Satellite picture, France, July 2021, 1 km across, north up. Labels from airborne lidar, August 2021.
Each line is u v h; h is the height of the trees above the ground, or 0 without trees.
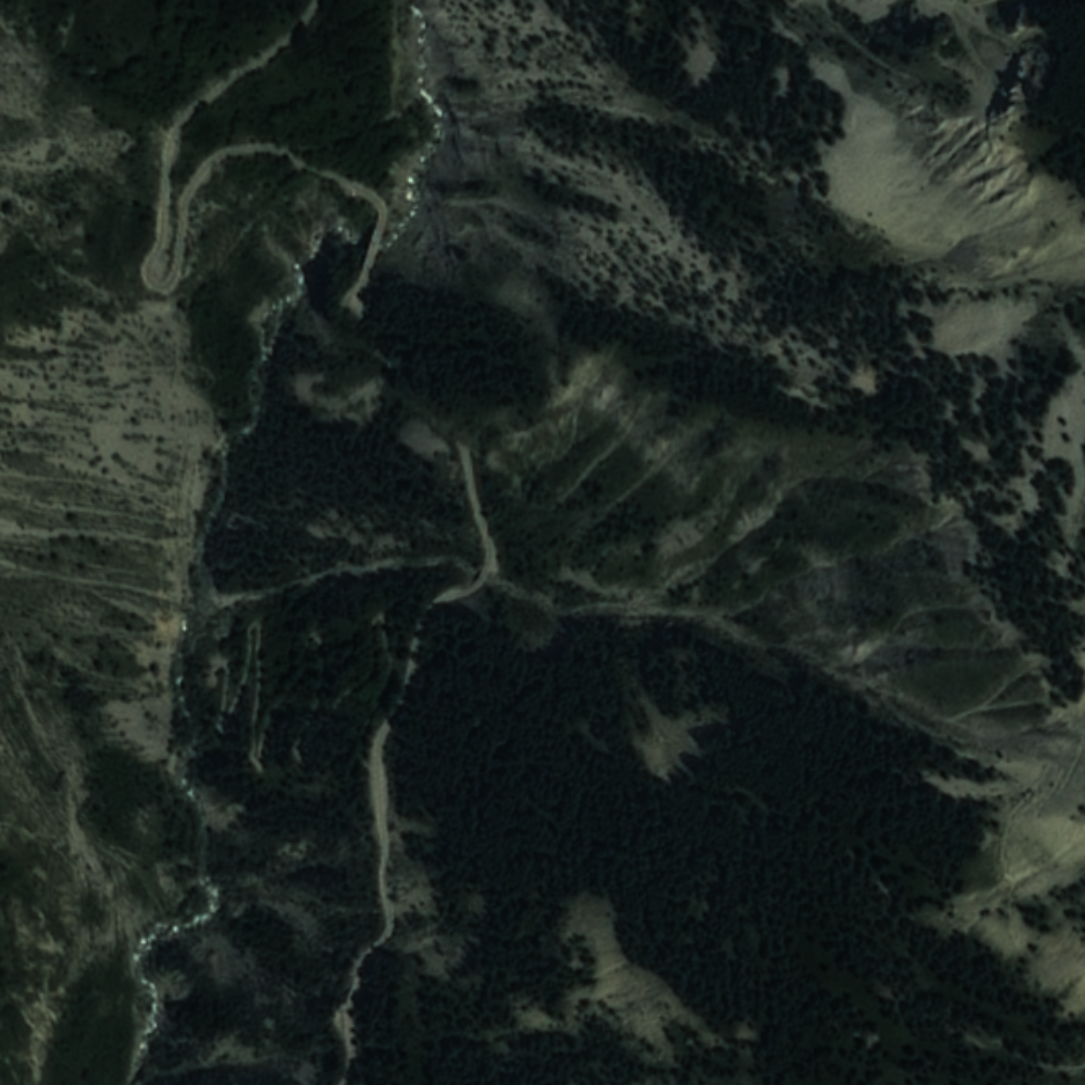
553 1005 9
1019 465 15
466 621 17
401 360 7
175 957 9
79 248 0
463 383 15
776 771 21
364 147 16
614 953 0
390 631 15
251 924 9
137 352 0
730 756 18
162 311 0
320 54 7
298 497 9
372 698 8
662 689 13
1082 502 0
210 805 0
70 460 0
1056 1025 13
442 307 14
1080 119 18
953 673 0
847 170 0
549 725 24
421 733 24
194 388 0
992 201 0
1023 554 19
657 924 16
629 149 13
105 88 6
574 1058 7
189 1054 7
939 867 15
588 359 0
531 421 7
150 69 6
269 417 8
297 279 0
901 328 19
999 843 0
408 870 0
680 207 12
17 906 0
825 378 9
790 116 17
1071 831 0
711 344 14
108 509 0
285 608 10
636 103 0
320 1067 7
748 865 23
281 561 10
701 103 18
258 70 8
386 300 22
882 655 0
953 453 16
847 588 0
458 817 22
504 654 20
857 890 11
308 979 6
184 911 13
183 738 14
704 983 15
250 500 9
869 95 0
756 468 0
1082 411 0
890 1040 0
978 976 19
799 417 14
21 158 0
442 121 0
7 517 0
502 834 24
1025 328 0
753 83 16
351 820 9
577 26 14
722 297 6
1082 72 25
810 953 0
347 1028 0
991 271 0
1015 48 0
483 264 0
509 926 20
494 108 0
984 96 0
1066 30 22
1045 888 0
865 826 16
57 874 0
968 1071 12
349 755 9
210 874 8
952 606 0
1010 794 0
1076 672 15
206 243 6
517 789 24
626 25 9
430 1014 16
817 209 14
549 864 16
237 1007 8
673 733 0
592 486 7
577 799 23
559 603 7
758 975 12
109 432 0
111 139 0
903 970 17
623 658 7
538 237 7
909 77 0
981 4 0
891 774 11
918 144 0
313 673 17
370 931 7
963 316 0
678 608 7
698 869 19
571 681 19
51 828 0
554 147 11
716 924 18
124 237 0
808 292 19
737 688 22
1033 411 16
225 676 8
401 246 0
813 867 14
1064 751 0
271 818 13
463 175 0
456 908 13
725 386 25
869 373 0
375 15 13
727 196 18
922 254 0
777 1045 16
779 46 12
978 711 0
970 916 0
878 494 12
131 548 0
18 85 0
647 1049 6
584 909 0
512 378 11
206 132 8
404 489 22
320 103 9
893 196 0
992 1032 15
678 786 13
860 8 0
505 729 21
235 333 7
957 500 10
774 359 13
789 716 20
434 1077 22
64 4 12
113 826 8
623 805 17
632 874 20
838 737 21
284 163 13
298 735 10
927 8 0
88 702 12
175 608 0
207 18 18
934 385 8
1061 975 0
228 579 12
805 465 0
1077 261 0
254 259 7
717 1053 11
